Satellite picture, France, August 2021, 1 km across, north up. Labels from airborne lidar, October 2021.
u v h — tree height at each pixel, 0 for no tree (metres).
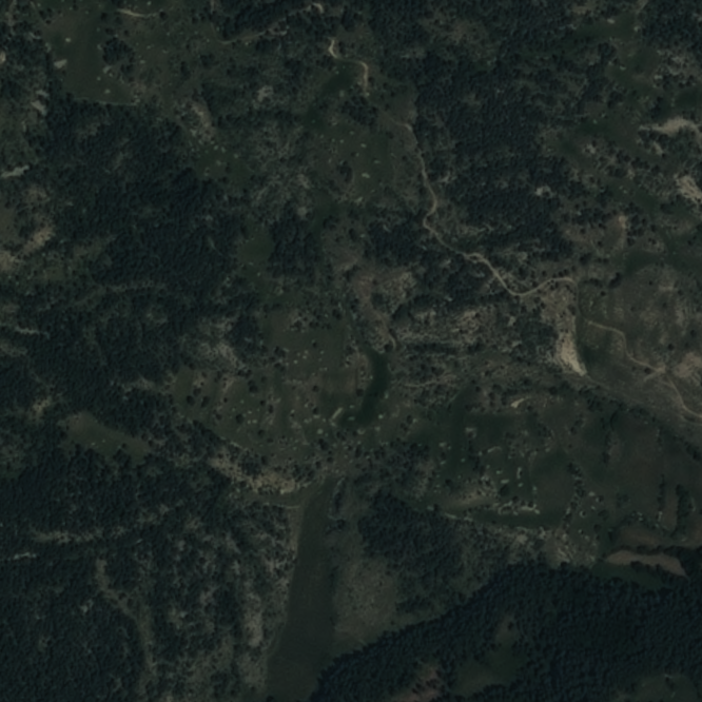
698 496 0
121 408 7
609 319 0
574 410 0
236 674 7
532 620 17
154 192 11
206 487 8
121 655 6
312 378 0
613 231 0
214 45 0
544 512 0
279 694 0
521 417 0
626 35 0
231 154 0
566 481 0
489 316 0
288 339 0
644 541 0
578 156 0
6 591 9
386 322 0
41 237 0
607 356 0
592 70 7
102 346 8
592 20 8
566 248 14
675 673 13
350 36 0
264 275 0
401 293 0
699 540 0
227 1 10
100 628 10
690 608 29
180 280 8
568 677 22
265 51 13
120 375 7
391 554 11
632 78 0
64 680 9
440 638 23
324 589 0
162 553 11
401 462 6
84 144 9
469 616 21
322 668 0
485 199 12
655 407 0
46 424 6
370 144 0
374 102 0
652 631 27
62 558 8
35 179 6
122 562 6
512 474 0
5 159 9
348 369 0
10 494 11
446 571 10
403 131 0
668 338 0
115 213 9
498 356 0
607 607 26
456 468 0
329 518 0
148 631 0
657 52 0
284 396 0
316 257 6
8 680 9
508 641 0
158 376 8
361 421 0
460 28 0
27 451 8
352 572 0
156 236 8
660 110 14
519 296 6
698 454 7
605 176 0
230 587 7
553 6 7
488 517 0
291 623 0
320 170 0
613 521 0
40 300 8
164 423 8
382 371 0
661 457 0
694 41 7
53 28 0
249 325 6
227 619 6
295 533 0
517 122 9
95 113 6
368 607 0
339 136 0
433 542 9
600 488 0
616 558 0
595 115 0
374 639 0
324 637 0
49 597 7
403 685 23
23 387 6
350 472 0
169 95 0
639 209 8
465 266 9
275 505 7
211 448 8
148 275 8
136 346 8
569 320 0
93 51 0
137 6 0
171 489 8
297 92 11
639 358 0
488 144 9
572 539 0
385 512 12
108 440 0
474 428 0
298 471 11
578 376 0
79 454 15
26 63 8
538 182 7
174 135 9
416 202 0
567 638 23
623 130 0
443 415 0
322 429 0
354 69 0
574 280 0
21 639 10
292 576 0
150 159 10
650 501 0
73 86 0
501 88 6
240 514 11
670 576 17
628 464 0
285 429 0
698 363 0
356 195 0
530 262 7
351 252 0
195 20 11
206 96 7
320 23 10
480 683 0
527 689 15
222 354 0
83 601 9
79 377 7
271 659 0
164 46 0
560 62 7
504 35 7
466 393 0
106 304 7
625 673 21
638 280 0
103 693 16
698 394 0
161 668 9
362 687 23
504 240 12
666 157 9
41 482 12
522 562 6
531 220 9
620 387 0
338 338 0
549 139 0
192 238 9
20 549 10
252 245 0
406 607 11
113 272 11
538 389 0
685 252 0
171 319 8
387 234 9
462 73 7
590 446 0
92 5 0
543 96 6
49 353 10
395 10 10
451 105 7
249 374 6
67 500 9
